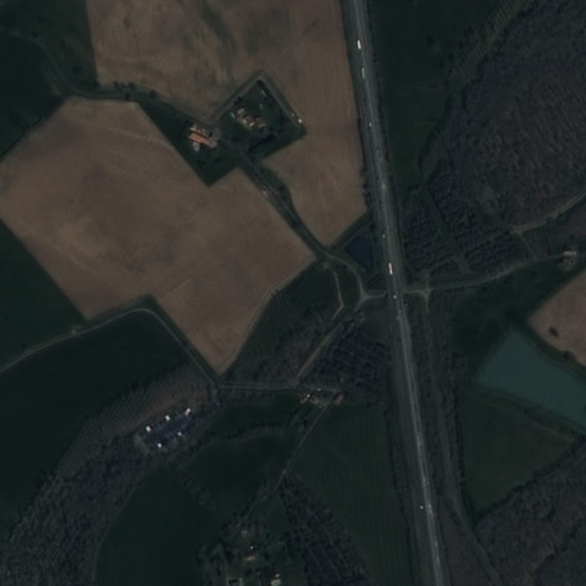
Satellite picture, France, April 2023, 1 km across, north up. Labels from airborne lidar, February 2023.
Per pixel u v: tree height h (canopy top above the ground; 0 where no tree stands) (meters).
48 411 0
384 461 0
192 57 0
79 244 0
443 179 13
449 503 11
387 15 0
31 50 0
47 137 0
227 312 0
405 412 0
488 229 15
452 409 7
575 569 21
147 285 0
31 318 0
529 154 22
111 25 0
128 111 0
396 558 0
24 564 15
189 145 0
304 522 11
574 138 23
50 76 0
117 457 10
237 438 8
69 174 0
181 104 0
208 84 0
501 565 13
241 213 0
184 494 0
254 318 0
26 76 0
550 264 0
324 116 0
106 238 0
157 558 0
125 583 0
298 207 0
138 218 0
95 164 0
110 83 0
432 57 0
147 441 0
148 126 0
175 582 0
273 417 0
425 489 0
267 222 0
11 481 0
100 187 0
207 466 0
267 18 0
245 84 0
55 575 23
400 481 9
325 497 0
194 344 0
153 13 0
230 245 0
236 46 0
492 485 0
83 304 0
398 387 0
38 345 0
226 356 0
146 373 0
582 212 13
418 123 0
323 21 0
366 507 0
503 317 0
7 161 0
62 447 0
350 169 0
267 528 6
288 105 0
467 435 0
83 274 0
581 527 22
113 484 22
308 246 0
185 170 0
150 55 0
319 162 0
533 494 21
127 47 0
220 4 0
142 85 0
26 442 0
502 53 20
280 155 0
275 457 0
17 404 0
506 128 17
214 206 0
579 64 23
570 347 0
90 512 21
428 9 0
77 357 0
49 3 0
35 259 0
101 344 0
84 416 0
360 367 10
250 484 0
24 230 0
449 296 8
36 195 0
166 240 0
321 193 0
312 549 14
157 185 0
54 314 0
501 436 0
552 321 0
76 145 0
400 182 0
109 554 0
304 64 0
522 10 0
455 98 16
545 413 0
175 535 0
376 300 0
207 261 0
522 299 0
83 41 0
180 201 0
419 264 9
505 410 0
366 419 0
